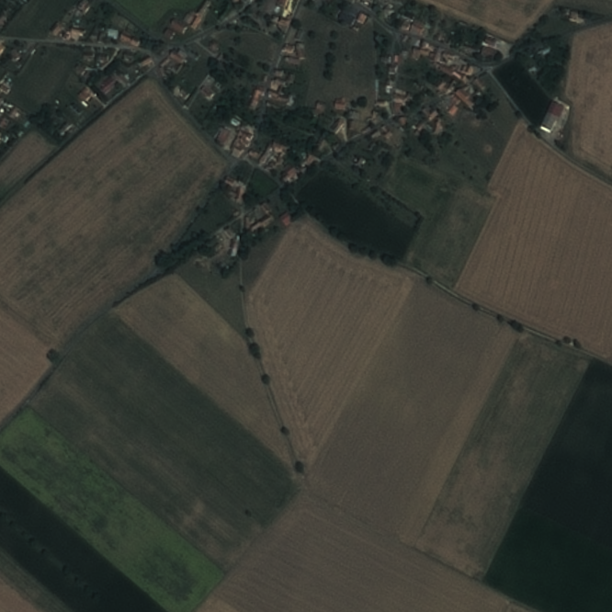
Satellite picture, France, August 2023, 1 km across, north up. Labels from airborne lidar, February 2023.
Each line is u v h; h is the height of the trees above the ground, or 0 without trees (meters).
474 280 0
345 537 0
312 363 0
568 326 0
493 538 0
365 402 0
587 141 0
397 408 0
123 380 0
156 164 0
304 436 0
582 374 0
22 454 0
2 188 0
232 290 0
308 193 0
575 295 0
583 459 0
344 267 0
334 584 0
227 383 0
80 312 0
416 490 0
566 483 0
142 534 0
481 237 0
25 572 0
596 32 0
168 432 0
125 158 0
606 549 0
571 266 0
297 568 0
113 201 0
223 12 8
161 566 0
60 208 0
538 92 0
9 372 0
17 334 0
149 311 0
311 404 0
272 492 0
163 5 0
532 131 9
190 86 0
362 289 0
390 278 0
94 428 0
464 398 0
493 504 0
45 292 0
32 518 0
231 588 0
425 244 0
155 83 0
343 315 0
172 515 0
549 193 0
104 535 0
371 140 6
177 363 0
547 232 0
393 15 6
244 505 0
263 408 0
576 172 0
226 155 0
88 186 0
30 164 0
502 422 0
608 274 0
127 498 0
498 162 0
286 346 0
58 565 0
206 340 0
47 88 0
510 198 0
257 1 7
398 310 0
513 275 0
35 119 12
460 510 0
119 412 0
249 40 0
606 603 0
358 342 0
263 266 0
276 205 0
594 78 0
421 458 0
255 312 0
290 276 0
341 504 0
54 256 0
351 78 0
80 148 0
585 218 0
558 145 8
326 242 0
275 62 0
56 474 0
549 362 0
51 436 0
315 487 0
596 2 0
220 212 0
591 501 0
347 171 0
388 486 0
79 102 0
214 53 0
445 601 0
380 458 0
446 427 0
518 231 0
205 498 0
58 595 0
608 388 0
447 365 0
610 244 0
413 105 11
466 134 0
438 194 0
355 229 0
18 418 0
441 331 0
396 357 0
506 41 0
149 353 0
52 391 0
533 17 0
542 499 0
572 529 0
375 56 0
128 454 0
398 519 0
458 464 0
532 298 0
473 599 0
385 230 0
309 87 0
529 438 0
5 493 0
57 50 0
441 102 0
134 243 0
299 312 0
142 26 0
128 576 0
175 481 0
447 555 0
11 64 0
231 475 0
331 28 0
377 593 0
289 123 12
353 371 0
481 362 0
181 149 0
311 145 11
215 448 0
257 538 0
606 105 0
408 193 0
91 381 0
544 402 0
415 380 0
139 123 0
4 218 0
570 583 0
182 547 0
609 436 0
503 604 0
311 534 0
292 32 0
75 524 0
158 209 0
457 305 0
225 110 12
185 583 0
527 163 0
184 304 0
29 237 0
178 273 0
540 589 0
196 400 0
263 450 0
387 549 0
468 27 0
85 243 0
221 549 0
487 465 0
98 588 0
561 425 0
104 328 0
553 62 14
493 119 0
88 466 0
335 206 0
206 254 10
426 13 0
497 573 0
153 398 0
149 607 0
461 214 0
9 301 0
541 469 0
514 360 0
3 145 6
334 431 0
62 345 0
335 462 0
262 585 0
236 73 12
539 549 0
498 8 0
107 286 0
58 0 0
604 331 0
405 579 0
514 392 0
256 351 11
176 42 0
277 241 0
